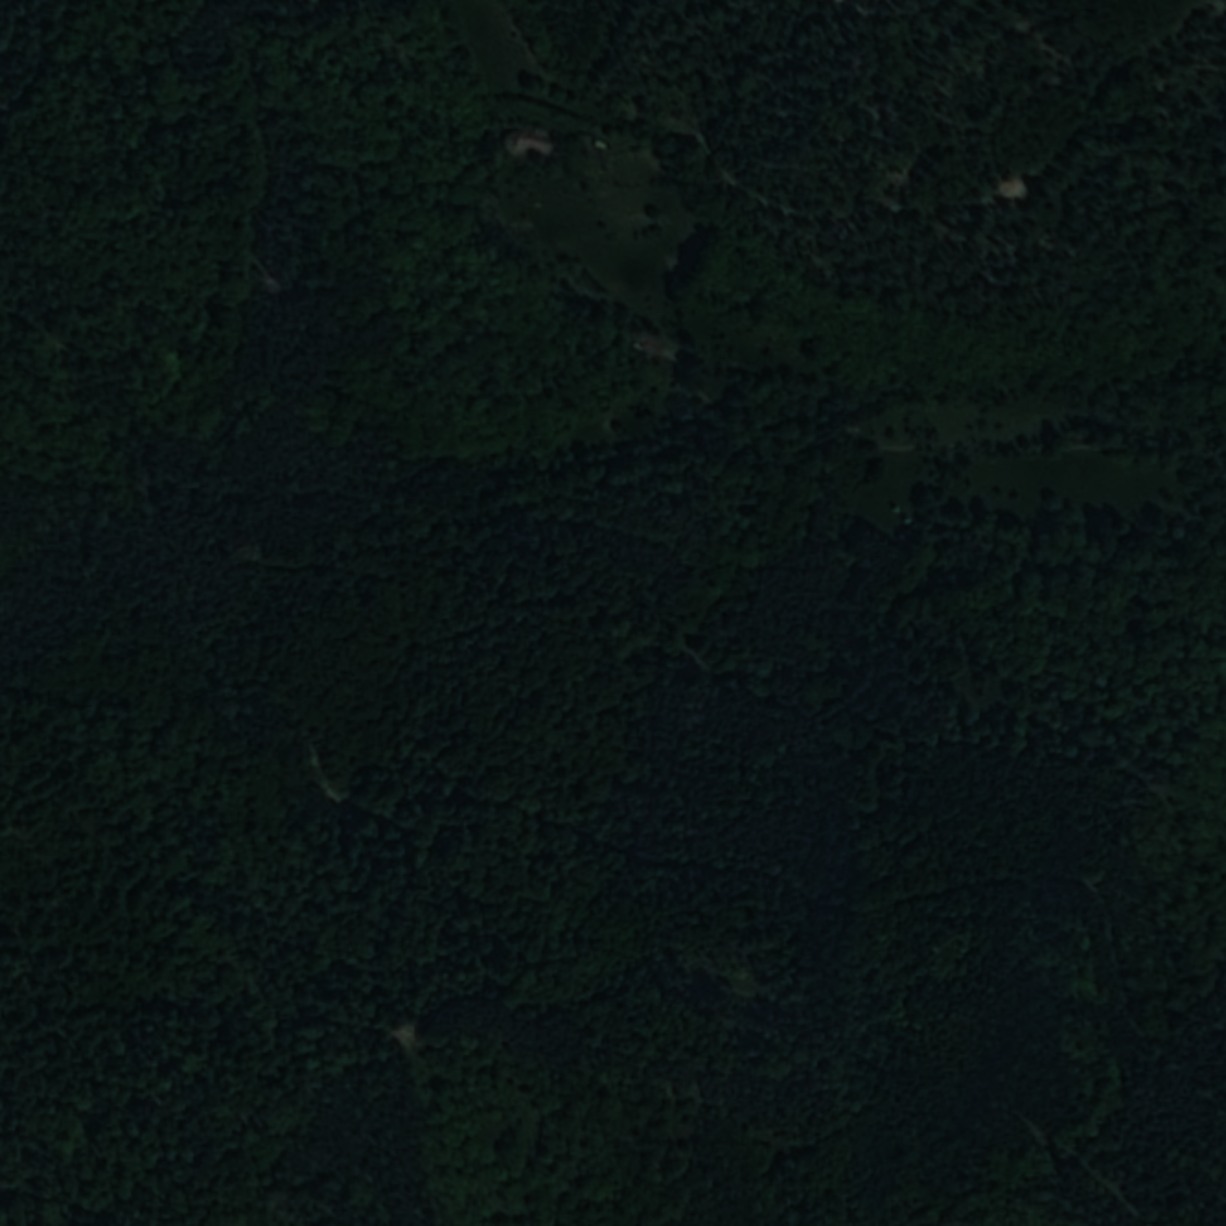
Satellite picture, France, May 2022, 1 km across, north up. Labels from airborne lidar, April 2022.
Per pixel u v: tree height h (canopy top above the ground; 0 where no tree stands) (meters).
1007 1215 25
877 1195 15
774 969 24
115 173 30
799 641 24
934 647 14
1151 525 20
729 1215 21
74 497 22
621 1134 12
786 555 27
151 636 21
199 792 31
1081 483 0
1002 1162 20
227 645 21
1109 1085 23
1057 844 16
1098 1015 17
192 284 27
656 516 32
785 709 27
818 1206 17
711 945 26
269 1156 13
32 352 31
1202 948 21
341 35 18
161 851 29
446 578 30
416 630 26
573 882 29
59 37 18
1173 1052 24
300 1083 26
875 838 24
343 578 16
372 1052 27
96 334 32
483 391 23
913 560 26
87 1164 30
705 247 28
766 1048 31
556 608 30
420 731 26
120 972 11
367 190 28
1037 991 17
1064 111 15
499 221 23
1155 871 14
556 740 31
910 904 19
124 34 35
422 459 21
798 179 24
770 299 22
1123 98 31
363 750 25
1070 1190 25
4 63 30
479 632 29
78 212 26
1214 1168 28
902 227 30
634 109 34
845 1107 18
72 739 28
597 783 29
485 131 23
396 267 17
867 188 14
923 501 21
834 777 31
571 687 30
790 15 11
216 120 37
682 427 23
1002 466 0
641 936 27
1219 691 22
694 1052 19
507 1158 16
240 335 20
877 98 21
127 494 25
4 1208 31
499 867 33
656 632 33
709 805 26
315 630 18
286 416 25
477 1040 13
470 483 21
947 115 8
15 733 26
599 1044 21
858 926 24
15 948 26
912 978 23
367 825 30
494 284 27
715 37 10
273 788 19
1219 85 16
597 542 31
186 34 29
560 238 0
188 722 26
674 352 0
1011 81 20
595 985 28
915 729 31
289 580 18
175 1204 28
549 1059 21
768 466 27
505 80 0
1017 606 29
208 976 17
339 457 33
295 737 18
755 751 29
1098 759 10
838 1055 29
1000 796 18
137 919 15
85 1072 31
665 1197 15
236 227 35
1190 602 24
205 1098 25
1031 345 27
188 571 24
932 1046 16
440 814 32
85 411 11
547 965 28
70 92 29
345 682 23
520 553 30
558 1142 14
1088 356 23
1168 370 6
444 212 31
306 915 38
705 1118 11
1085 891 16
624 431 6
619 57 27
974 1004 16
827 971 30
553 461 22
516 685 31
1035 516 0
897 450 0
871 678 36
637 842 28
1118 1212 26
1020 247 23
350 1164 22
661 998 32
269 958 35
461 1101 16
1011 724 20
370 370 27
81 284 30
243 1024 29
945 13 18
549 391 28
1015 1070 16
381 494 18
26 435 27
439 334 22
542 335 17
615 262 0
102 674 23
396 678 27
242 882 27
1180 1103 30
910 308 30
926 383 31
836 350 20
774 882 33
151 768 34
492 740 31
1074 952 23
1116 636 25
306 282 22
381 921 32
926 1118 15
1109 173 37
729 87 34
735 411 26
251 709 19
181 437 22
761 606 25
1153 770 20
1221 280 33
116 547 24
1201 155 11
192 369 19
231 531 25
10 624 27
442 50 23
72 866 19
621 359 16
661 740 33
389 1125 23
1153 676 21
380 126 21
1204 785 21
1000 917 19
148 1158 30
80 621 18
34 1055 30
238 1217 20
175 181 31
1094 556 23
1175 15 12
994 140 11
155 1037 32
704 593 32
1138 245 22
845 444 9
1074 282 13
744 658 24
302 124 25
